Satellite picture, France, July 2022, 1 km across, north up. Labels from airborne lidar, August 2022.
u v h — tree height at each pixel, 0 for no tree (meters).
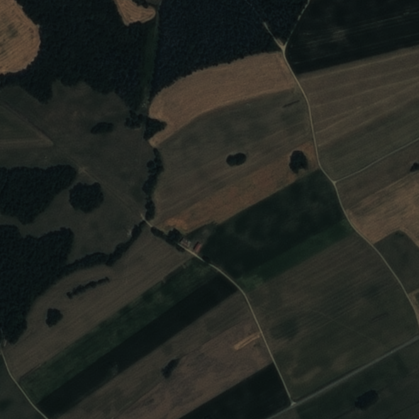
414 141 0
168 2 20
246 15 14
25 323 16
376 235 0
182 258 0
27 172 17
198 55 19
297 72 0
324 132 0
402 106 0
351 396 0
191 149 0
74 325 0
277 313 0
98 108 0
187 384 0
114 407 0
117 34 17
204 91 0
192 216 0
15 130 0
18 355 0
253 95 0
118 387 0
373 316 0
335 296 0
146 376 0
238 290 0
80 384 0
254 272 0
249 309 0
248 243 0
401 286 0
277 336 0
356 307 0
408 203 0
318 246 0
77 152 0
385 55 0
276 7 22
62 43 22
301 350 0
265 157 0
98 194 16
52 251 17
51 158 0
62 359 0
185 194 0
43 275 19
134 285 0
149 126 17
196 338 0
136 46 13
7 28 0
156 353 0
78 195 21
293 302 0
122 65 8
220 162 0
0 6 0
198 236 0
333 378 0
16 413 0
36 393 0
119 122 0
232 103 0
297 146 0
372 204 0
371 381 0
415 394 0
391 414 0
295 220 0
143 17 0
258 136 0
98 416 0
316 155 0
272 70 0
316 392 0
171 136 0
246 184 0
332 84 0
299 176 0
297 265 0
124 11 0
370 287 0
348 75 0
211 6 24
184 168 0
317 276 0
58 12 20
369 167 0
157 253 0
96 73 18
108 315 0
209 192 0
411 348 0
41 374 0
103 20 20
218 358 0
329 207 0
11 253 20
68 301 0
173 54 28
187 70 24
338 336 0
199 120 0
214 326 0
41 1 20
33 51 0
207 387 0
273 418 0
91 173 0
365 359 0
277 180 0
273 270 0
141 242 0
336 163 0
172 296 0
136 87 18
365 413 0
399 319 0
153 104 0
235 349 0
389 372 0
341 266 0
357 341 0
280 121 0
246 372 0
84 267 14
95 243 0
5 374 0
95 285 11
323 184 0
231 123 0
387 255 0
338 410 0
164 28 26
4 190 13
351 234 0
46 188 15
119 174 0
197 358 0
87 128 0
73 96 0
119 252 12
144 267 0
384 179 0
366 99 0
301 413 0
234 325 0
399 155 0
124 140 0
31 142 0
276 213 0
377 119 0
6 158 0
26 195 17
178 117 0
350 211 0
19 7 0
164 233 13
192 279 0
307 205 0
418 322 0
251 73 0
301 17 0
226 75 0
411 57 0
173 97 0
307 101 0
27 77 19
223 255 0
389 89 0
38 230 0
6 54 0
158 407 0
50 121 0
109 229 0
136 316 0
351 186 0
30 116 0
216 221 0
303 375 0
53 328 0
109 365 0
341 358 0
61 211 0
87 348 0
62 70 18
